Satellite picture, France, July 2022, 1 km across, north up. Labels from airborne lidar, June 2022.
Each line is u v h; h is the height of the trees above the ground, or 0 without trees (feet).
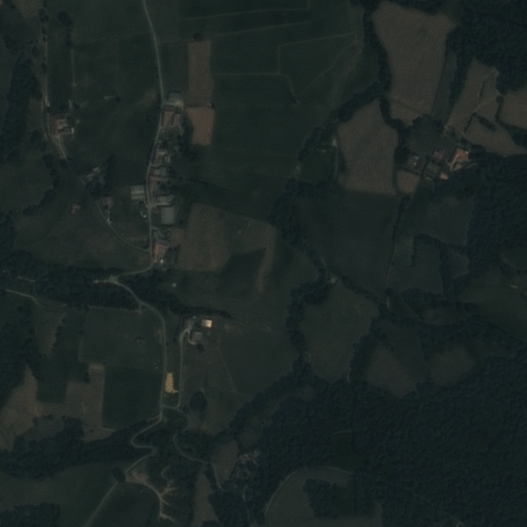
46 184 0
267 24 0
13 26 0
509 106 0
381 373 0
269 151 0
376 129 0
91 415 0
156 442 25
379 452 61
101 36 0
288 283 0
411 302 91
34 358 72
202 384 0
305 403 61
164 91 0
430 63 0
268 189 0
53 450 88
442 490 80
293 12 0
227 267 0
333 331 0
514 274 55
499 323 0
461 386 33
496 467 60
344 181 0
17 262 112
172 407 0
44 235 0
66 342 0
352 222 0
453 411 20
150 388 0
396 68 0
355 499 30
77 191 0
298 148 0
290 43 0
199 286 0
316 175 0
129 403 0
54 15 0
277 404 0
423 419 68
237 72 0
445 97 0
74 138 0
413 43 0
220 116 0
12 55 36
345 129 0
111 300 34
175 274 0
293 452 65
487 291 0
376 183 0
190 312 40
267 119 0
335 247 0
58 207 0
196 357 0
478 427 62
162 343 0
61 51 0
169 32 0
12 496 0
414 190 0
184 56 0
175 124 0
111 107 0
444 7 26
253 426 0
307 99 0
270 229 0
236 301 0
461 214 0
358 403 73
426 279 0
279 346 0
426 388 50
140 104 0
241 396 0
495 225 88
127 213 0
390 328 0
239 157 0
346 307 0
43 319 0
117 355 0
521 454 83
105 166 24
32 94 84
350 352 0
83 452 46
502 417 71
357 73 0
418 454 82
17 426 0
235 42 0
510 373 84
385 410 72
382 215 0
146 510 0
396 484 48
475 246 56
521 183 83
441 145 0
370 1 27
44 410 0
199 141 0
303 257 0
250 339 0
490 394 84
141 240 0
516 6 99
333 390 21
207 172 0
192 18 0
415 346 0
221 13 0
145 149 0
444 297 19
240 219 0
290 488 0
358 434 67
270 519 0
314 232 0
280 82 0
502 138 0
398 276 0
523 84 79
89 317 0
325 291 69
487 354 0
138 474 0
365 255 0
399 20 0
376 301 49
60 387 0
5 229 89
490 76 0
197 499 0
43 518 79
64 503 0
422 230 0
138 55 0
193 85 0
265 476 65
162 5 0
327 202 0
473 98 0
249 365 0
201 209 0
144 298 68
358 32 0
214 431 0
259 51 0
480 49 52
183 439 25
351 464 0
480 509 63
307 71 0
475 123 0
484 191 60
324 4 0
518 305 0
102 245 0
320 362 0
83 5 0
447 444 63
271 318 0
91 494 0
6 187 0
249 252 0
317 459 52
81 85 0
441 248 38
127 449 48
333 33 0
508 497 51
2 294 57
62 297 28
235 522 89
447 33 0
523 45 76
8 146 87
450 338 92
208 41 0
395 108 0
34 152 0
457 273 0
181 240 0
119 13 0
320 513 73
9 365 79
